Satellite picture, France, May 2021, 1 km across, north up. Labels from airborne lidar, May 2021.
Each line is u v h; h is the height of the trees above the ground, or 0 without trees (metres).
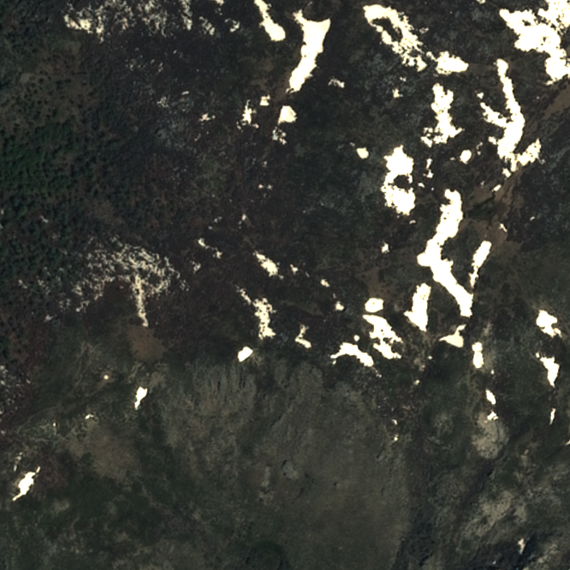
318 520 0
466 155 0
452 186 0
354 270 0
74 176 15
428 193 0
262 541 0
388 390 0
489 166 0
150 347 0
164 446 0
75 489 0
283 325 0
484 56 0
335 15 0
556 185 0
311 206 0
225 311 0
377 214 0
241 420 0
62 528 0
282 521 0
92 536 0
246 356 0
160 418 0
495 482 0
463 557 0
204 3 0
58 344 0
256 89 0
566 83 0
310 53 0
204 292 0
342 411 0
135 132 8
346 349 0
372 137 0
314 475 0
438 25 0
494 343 0
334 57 0
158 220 9
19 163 10
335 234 0
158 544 0
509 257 0
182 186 7
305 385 0
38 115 17
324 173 0
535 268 0
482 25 0
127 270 8
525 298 0
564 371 0
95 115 6
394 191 0
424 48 0
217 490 0
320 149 0
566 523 0
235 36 0
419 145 0
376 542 0
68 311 0
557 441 0
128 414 0
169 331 0
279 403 0
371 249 0
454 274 0
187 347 0
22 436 0
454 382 0
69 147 10
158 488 0
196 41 0
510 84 0
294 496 0
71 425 0
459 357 0
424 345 0
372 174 0
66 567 0
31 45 10
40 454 0
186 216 9
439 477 0
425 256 0
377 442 0
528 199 0
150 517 0
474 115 0
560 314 0
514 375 0
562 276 0
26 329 8
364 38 0
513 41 0
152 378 0
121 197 10
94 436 0
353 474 0
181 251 0
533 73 0
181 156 7
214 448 0
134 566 0
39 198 12
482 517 0
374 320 0
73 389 0
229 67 0
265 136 0
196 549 0
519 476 0
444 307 0
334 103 0
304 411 0
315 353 0
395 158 0
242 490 0
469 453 0
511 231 0
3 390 10
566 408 0
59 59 15
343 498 0
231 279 0
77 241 11
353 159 0
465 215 0
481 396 0
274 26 0
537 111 0
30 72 0
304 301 0
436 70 0
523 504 0
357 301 0
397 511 0
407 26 0
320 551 0
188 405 0
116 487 0
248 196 0
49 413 0
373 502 0
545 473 0
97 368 0
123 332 0
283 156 0
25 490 0
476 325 0
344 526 0
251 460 0
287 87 0
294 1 0
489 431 0
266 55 0
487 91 0
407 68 0
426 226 0
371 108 0
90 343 0
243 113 0
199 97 0
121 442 0
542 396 0
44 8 7
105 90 7
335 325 0
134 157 7
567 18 0
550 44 0
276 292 0
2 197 9
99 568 0
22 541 0
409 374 0
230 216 0
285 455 0
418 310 0
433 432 0
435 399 0
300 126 0
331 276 0
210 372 0
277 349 0
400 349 0
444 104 0
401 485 0
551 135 0
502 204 0
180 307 0
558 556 0
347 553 0
